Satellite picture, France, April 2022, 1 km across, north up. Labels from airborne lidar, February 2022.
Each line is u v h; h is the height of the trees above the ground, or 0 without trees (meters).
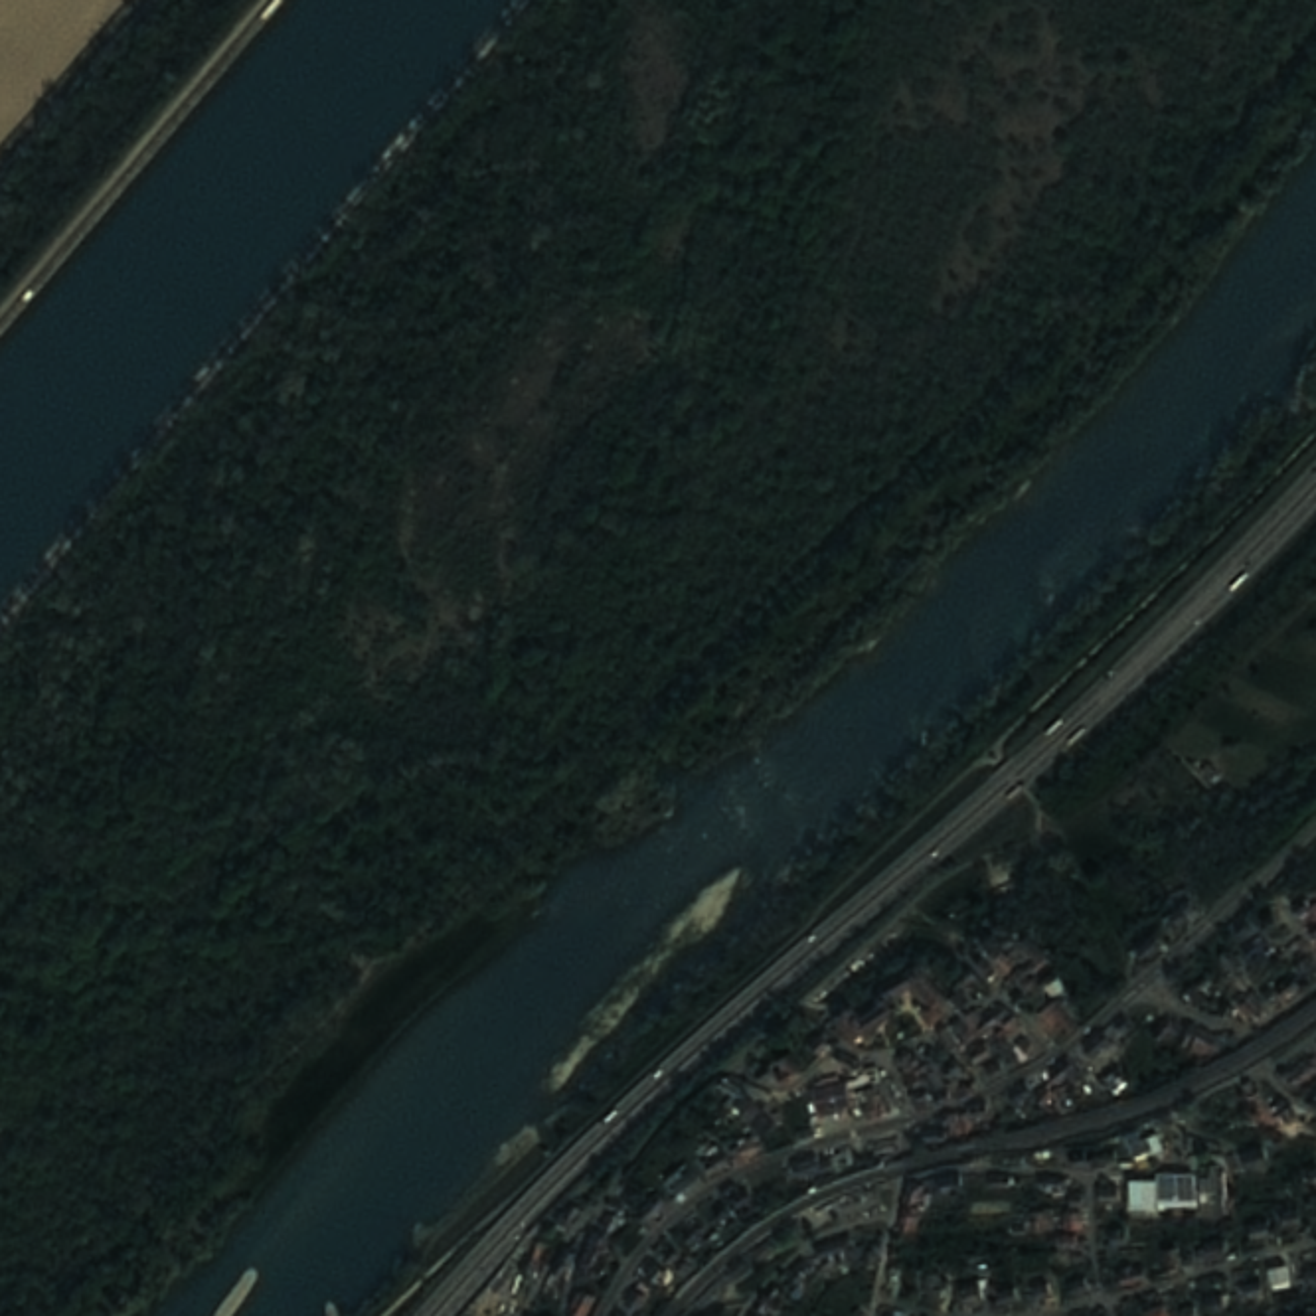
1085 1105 0
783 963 0
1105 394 15
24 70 0
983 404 17
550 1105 0
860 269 7
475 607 0
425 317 31
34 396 0
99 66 16
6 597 0
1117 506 0
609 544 8
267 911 26
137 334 0
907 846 0
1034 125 0
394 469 10
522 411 0
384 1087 0
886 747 0
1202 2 17
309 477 24
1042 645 13
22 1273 11
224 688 21
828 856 20
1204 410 0
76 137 18
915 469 14
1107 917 0
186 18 9
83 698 21
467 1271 0
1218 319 0
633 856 0
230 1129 27
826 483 19
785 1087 0
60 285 0
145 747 25
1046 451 11
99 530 25
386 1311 0
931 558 12
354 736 21
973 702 15
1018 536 0
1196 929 0
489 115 7
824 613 9
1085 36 11
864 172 10
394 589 6
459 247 8
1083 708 0
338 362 7
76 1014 17
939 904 0
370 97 0
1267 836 24
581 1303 0
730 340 7
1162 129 9
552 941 0
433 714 7
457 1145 0
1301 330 0
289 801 20
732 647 25
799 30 8
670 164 9
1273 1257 0
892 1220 0
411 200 7
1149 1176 0
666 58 0
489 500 0
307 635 9
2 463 0
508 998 0
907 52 7
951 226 8
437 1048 0
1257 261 0
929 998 0
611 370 0
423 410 6
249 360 15
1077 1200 8
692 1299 0
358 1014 0
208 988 18
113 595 22
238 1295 0
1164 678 11
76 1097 13
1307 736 0
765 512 14
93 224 0
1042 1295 0
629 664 8
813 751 0
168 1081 10
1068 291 14
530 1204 0
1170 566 9
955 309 13
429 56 0
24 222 20
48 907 15
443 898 10
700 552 13
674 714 25
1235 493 12
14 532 0
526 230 24
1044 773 0
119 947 19
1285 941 0
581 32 7
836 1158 0
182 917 8
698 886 0
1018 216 8
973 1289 0
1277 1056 0
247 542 23
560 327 0
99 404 0
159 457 22
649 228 13
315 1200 0
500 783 18
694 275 18
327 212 0
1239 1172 0
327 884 18
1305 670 0
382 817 26
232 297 0
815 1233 16
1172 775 11
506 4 0
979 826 0
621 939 0
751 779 0
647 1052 0
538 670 21
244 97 0
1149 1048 0
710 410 17
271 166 0
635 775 18
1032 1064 0
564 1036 0
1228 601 0
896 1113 0
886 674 0
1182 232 17
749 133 18
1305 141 12
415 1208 0
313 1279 0
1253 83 6
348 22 0
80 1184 12
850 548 35
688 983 12
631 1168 9
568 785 15
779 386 14
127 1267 33
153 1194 19
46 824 18
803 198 14
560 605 5
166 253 0
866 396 12
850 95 9
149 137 0
